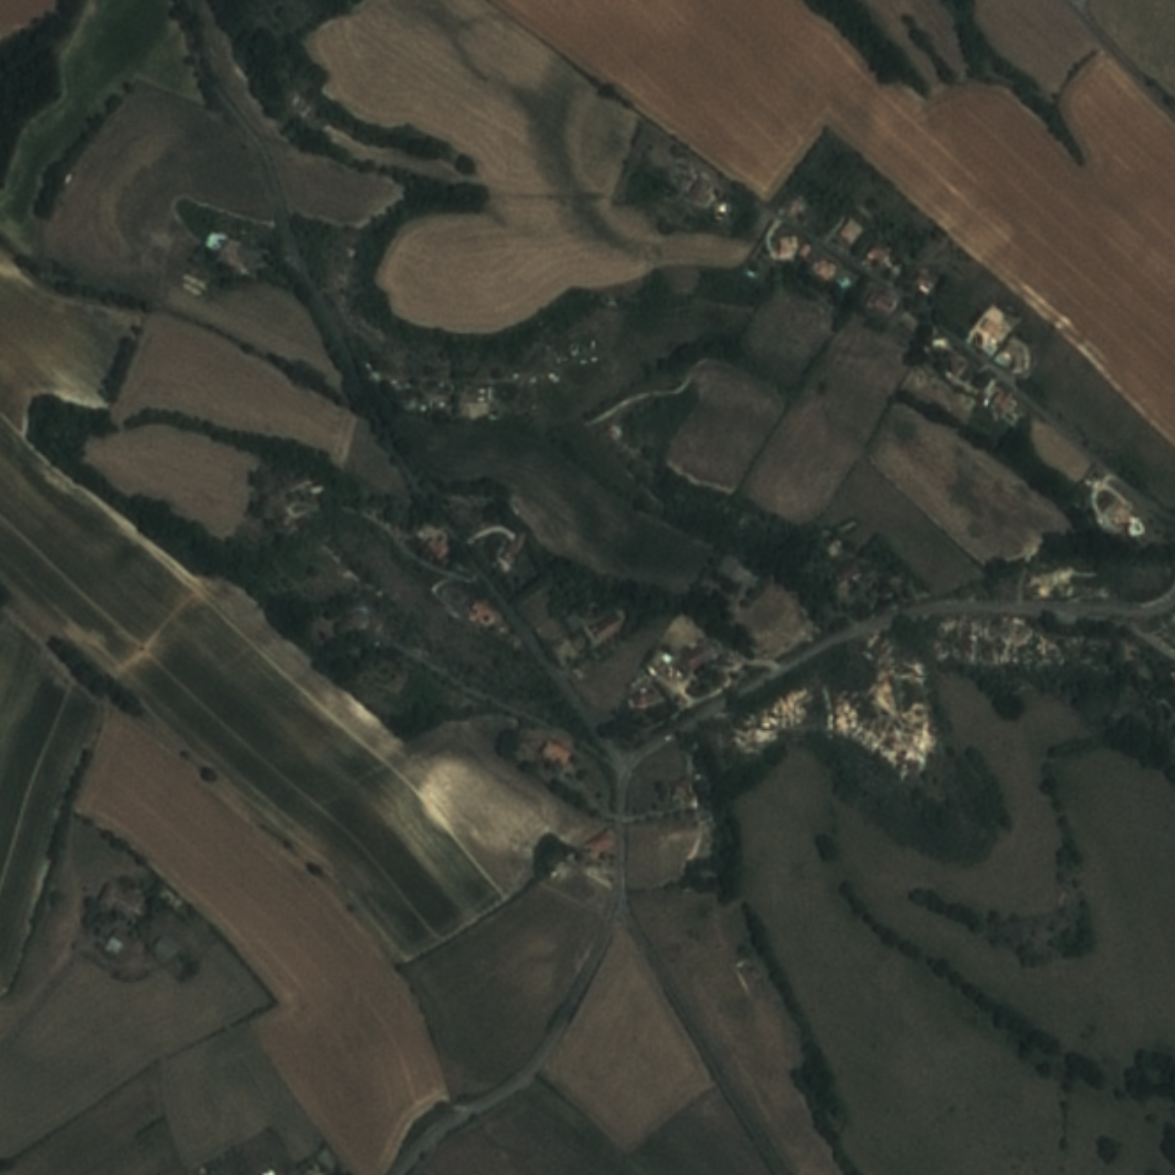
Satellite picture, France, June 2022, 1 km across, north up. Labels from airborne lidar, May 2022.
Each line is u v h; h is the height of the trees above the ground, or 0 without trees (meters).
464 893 0
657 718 9
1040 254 0
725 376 0
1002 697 13
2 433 0
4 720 0
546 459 0
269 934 0
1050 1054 10
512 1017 0
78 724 0
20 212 0
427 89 0
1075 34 0
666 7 0
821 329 0
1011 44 0
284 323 0
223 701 0
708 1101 0
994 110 0
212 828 0
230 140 0
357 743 0
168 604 0
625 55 0
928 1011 0
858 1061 0
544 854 8
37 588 0
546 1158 0
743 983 0
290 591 6
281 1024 0
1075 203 0
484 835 0
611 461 0
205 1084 0
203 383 0
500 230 0
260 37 14
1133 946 0
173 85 0
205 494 0
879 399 0
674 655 6
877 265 8
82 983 0
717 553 6
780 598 0
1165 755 17
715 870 11
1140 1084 17
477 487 16
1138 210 0
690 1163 0
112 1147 0
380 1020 0
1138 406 0
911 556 0
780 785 0
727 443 0
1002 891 0
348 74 0
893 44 13
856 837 0
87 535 0
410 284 0
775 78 0
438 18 0
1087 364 0
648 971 0
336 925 0
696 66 0
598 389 0
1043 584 0
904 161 0
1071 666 9
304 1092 0
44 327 0
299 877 0
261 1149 0
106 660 0
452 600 0
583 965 0
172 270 0
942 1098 0
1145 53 0
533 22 0
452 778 0
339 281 0
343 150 10
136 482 0
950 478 0
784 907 0
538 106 0
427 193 18
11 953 0
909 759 0
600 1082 0
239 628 0
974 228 0
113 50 0
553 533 0
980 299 0
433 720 15
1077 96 0
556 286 0
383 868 0
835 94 0
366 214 0
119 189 0
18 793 0
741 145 0
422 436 0
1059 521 0
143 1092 0
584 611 10
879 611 9
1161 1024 0
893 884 0
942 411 12
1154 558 8
